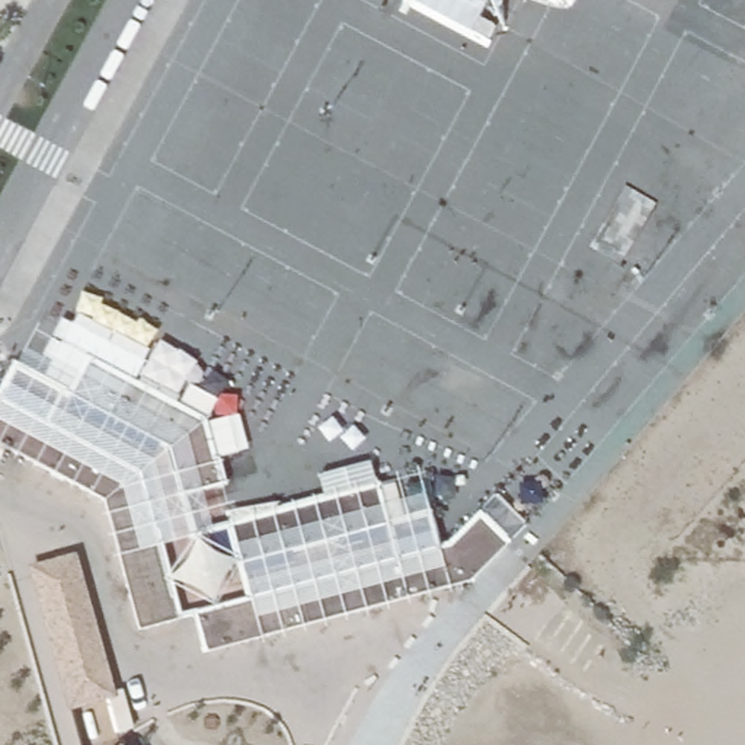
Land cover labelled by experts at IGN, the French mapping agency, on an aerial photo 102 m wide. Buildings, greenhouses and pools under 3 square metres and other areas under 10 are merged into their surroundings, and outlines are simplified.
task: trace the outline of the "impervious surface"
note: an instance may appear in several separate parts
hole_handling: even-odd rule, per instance
[[[326,736],[329,719],[340,713],[340,704],[349,693],[343,678],[346,661],[335,655],[320,661],[306,655],[303,649],[288,655],[265,655],[262,646],[308,643],[311,634],[323,629],[352,629],[361,620],[381,614],[410,617],[419,602],[428,602],[419,637],[405,640],[405,658],[390,661],[387,669],[381,669],[384,681],[390,687],[416,687],[416,693],[425,701],[437,696],[445,669],[451,669],[460,652],[469,646],[469,640],[483,629],[486,611],[498,611],[503,605],[509,588],[518,588],[530,570],[535,553],[547,541],[553,541],[556,530],[573,518],[573,509],[582,506],[582,501],[594,492],[594,483],[620,469],[623,448],[634,442],[634,437],[658,413],[658,407],[666,399],[675,405],[681,402],[681,384],[690,375],[690,370],[704,358],[722,358],[728,343],[745,329],[745,0],[105,0],[99,17],[90,23],[84,44],[79,47],[73,64],[67,67],[49,102],[49,111],[41,116],[38,128],[29,131],[12,122],[12,108],[26,102],[26,81],[35,64],[41,61],[70,0],[0,0],[0,373],[15,361],[47,373],[47,343],[52,340],[55,326],[61,320],[76,320],[79,297],[93,294],[102,300],[102,306],[131,320],[148,323],[163,343],[186,352],[201,370],[215,364],[212,373],[224,378],[221,396],[236,396],[236,416],[242,419],[247,445],[244,451],[224,457],[227,486],[218,489],[221,501],[233,501],[239,509],[244,509],[259,503],[288,503],[311,498],[320,495],[320,474],[370,463],[375,480],[393,483],[399,492],[407,486],[410,477],[428,474],[428,503],[439,538],[448,538],[474,512],[489,512],[509,533],[509,541],[501,541],[501,547],[471,576],[471,594],[463,591],[460,582],[445,582],[437,588],[410,591],[405,597],[370,602],[352,611],[210,646],[207,655],[201,655],[189,620],[172,617],[146,626],[140,623],[134,594],[128,594],[125,599],[116,597],[113,588],[125,585],[131,591],[131,579],[122,562],[122,547],[116,538],[108,501],[90,486],[29,457],[23,448],[0,448],[0,745],[79,745],[73,713],[67,707],[55,710],[52,704],[47,669],[23,597],[23,585],[32,582],[32,576],[41,570],[38,562],[52,562],[61,556],[79,559],[105,661],[111,669],[111,681],[116,690],[125,687],[125,675],[143,672],[151,693],[157,693],[160,701],[172,704],[186,701],[180,690],[186,690],[192,701],[210,698],[215,693],[259,698],[274,704],[276,713],[282,713],[297,739],[320,742]]]

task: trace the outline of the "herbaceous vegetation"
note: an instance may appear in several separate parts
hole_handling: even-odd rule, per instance
[[[597,506],[602,495],[594,492],[582,501],[582,506],[573,509],[573,518],[556,530],[553,541],[547,541],[535,553],[530,570],[535,576],[565,576],[576,570],[576,547],[570,535],[582,527],[582,518]]]
[[[79,47],[84,44],[90,23],[99,17],[105,0],[70,0],[41,61],[35,64],[26,81],[26,102],[12,108],[12,122],[29,131],[38,128],[41,116],[49,111],[49,102],[67,67],[73,64]]]
[[[640,669],[640,681],[649,681],[649,672],[655,666],[664,669],[669,669],[669,658],[652,640],[643,646],[634,664]]]
[[[681,567],[698,562],[736,565],[742,562],[745,547],[745,460],[736,460],[736,466],[730,469],[728,483],[733,489],[728,489],[728,495],[722,498],[716,518],[701,518],[698,527],[687,535],[687,541],[675,547],[669,556],[678,559]]]

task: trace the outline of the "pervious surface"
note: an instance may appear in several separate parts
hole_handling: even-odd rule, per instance
[[[669,707],[666,693],[661,693],[658,681],[664,669],[655,666],[649,672],[649,681],[640,681],[640,669],[634,664],[626,664],[620,655],[599,658],[602,640],[591,632],[591,623],[597,620],[597,614],[585,605],[576,611],[559,594],[547,594],[541,602],[521,597],[512,611],[503,605],[498,611],[486,611],[483,629],[469,640],[469,646],[460,652],[451,669],[445,669],[437,696],[425,701],[413,725],[413,733],[405,745],[492,745],[506,739],[506,687],[547,684],[550,690],[562,693],[565,704],[573,698],[582,707],[599,713],[608,725],[626,725],[634,722],[634,716],[643,716],[649,707],[661,713],[664,707]]]
[[[745,460],[745,329],[728,343],[722,358],[704,358],[690,370],[690,375],[681,384],[681,402],[675,405],[666,399],[658,407],[658,413],[634,437],[634,442],[623,448],[620,469],[594,483],[594,492],[602,495],[597,506],[599,512],[614,512],[634,524],[637,533],[632,544],[637,544],[637,553],[652,567],[661,556],[669,556],[675,547],[687,541],[687,535],[698,527],[701,518],[716,518],[722,498],[728,495],[728,489],[733,489],[728,483],[730,469],[736,466],[736,460]]]

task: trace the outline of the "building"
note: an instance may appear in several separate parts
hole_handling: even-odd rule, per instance
[[[84,704],[105,710],[108,698],[116,690],[111,681],[111,669],[105,661],[79,559],[61,556],[52,562],[38,562],[41,570],[32,576],[32,582],[23,585],[23,597],[47,669],[52,704],[55,710],[67,707],[73,713]]]
[[[471,594],[471,576],[501,547],[501,541],[509,541],[509,533],[489,512],[474,512],[448,538],[439,538],[428,503],[428,474],[410,477],[407,486],[399,492],[393,483],[375,480],[370,463],[320,474],[320,495],[311,498],[288,503],[259,503],[244,509],[239,509],[233,501],[221,501],[218,489],[227,486],[224,457],[244,451],[247,445],[242,419],[236,416],[236,396],[221,396],[224,378],[212,373],[215,364],[201,370],[186,352],[163,343],[148,323],[131,320],[102,306],[102,300],[93,294],[79,297],[76,320],[61,320],[55,326],[52,340],[47,343],[47,373],[15,361],[0,373],[0,448],[23,448],[29,457],[90,486],[108,501],[116,538],[122,547],[122,562],[131,579],[131,591],[125,585],[113,588],[116,597],[125,599],[128,594],[134,594],[140,623],[146,626],[172,617],[189,620],[201,655],[207,655],[210,646],[352,611],[370,602],[405,597],[410,591],[437,588],[445,582],[460,582],[463,591]]]

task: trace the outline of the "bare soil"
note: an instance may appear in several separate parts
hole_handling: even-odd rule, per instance
[[[565,591],[565,576],[535,576],[530,570],[518,588],[509,588],[503,605],[512,611],[521,597],[541,602],[547,594],[559,594],[576,611],[585,605],[576,591]]]
[[[637,634],[643,626],[652,629],[652,640],[669,658],[669,669],[664,669],[658,681],[661,693],[666,693],[669,707],[664,707],[661,713],[649,707],[643,716],[634,716],[634,722],[626,725],[608,725],[599,713],[582,707],[573,698],[565,704],[562,693],[550,690],[547,684],[506,687],[506,739],[492,745],[745,745],[745,547],[742,562],[736,565],[698,562],[681,567],[675,570],[672,582],[652,582],[652,567],[637,553],[637,544],[632,544],[637,533],[634,524],[614,512],[599,512],[597,506],[582,518],[582,527],[570,535],[576,547],[576,570],[591,585],[591,591],[614,611],[608,623],[597,620],[591,623],[591,632],[602,640],[599,658],[620,655],[623,646],[629,646],[632,634]]]

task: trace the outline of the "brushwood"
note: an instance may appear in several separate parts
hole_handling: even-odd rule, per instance
[[[416,687],[390,687],[384,681],[349,745],[405,745],[413,733],[413,725],[425,701],[416,693]]]
[[[591,585],[576,570],[565,576],[565,591],[576,591],[585,605],[597,614],[597,620],[608,623],[614,611],[591,591]]]
[[[669,556],[661,556],[652,567],[652,582],[672,582],[675,570],[681,567],[678,559]]]
[[[643,626],[637,634],[632,634],[629,646],[623,646],[620,655],[626,664],[634,664],[643,646],[652,640],[652,629]]]
[[[151,693],[143,672],[125,675],[125,687],[116,690],[108,698],[105,710],[84,704],[73,713],[79,745],[320,745],[320,742],[297,739],[282,713],[276,713],[274,704],[259,698],[215,693],[210,698],[192,701],[186,690],[180,690],[186,701],[172,704],[160,701],[157,693]]]

